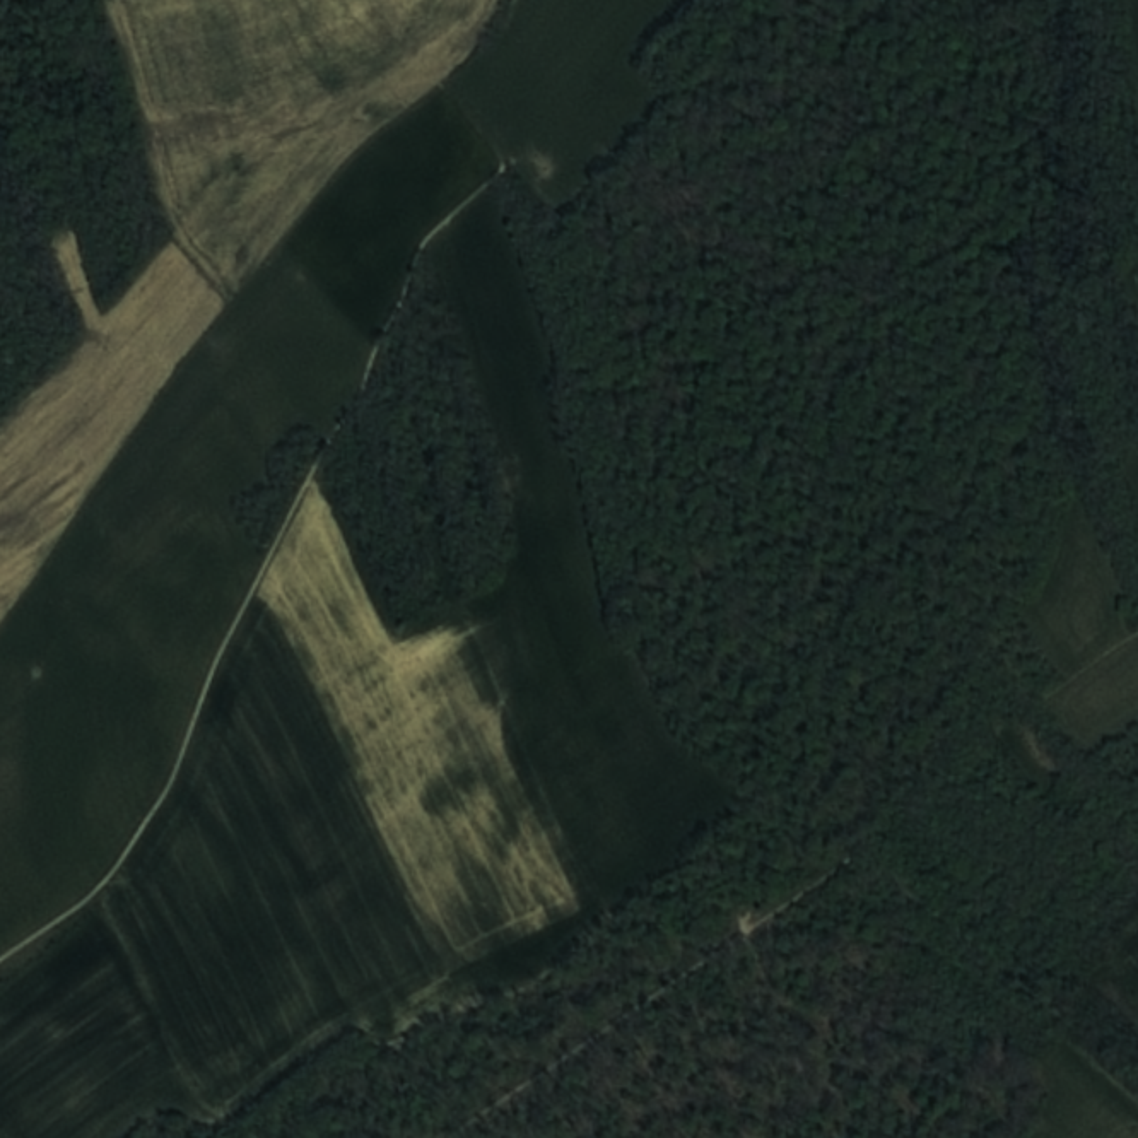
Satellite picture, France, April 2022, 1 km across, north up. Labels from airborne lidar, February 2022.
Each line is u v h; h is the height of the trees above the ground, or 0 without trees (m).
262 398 0
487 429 21
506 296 0
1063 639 0
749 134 25
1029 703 19
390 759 0
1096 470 21
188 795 0
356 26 0
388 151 0
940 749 19
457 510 21
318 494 0
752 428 16
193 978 0
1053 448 23
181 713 0
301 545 0
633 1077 24
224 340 0
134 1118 0
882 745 21
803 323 23
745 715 18
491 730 0
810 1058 28
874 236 24
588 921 0
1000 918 21
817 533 18
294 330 0
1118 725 0
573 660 0
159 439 0
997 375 24
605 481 22
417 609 6
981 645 22
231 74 0
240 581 0
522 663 0
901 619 20
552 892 0
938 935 23
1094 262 14
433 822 0
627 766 0
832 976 8
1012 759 20
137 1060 0
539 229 18
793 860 25
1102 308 19
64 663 0
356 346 0
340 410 0
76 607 0
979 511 23
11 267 19
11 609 0
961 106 25
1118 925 18
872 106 18
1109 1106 0
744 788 13
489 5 0
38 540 0
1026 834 19
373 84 0
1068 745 14
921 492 20
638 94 0
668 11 0
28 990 0
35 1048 0
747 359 18
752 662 21
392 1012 0
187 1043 0
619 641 19
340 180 0
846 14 20
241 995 0
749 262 26
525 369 0
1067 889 19
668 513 19
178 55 0
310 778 0
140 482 0
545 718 0
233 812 0
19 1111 0
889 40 19
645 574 25
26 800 0
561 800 0
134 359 0
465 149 0
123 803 0
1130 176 10
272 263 0
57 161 10
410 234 0
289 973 0
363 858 0
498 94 0
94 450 0
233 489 0
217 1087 0
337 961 0
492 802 0
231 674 0
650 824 0
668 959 23
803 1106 29
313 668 0
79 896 0
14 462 0
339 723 0
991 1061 32
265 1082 0
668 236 22
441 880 0
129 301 0
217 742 0
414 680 0
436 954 0
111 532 0
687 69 13
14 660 0
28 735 0
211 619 0
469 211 0
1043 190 25
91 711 0
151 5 0
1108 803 20
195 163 0
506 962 0
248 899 0
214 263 0
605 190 24
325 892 0
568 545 0
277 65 0
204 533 0
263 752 0
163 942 0
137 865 0
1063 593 0
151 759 0
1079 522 0
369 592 0
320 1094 18
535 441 0
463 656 0
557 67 0
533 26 0
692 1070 24
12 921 0
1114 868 14
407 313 15
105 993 0
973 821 22
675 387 19
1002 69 15
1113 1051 19
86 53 25
